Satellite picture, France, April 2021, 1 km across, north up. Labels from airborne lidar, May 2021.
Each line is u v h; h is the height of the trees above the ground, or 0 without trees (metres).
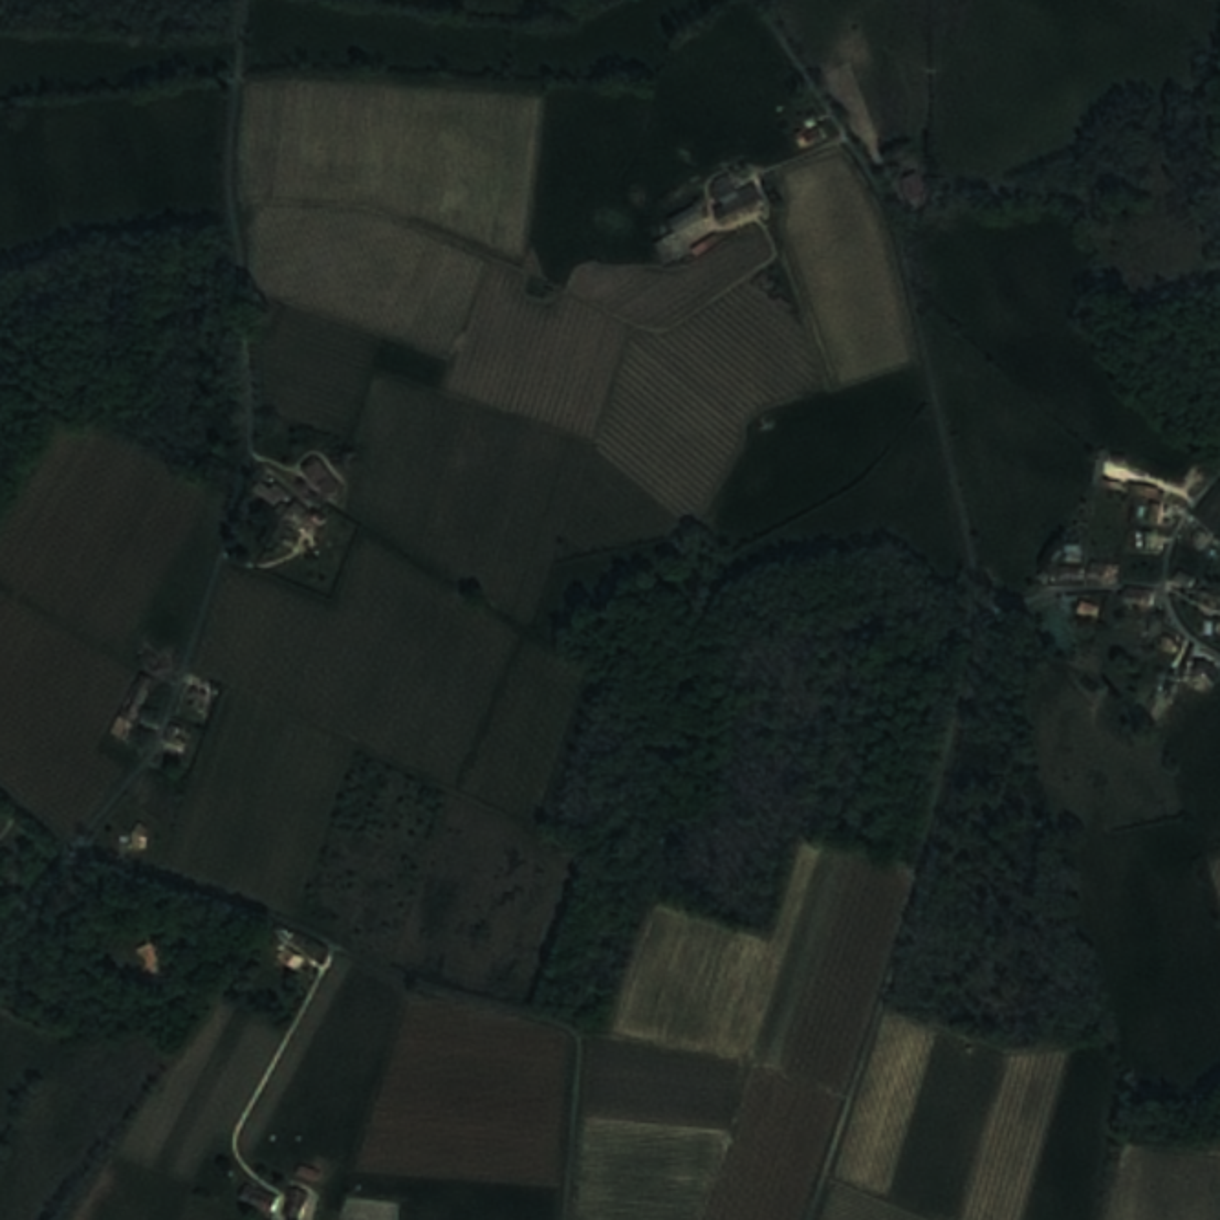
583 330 0
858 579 24
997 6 0
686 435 0
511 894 0
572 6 19
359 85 0
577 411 0
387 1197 0
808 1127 0
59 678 0
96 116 0
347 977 0
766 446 0
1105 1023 21
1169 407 26
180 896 23
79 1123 0
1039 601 0
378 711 0
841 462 0
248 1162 0
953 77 0
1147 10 0
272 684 0
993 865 19
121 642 0
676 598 22
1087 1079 0
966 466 0
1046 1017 21
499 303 0
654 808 21
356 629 0
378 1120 0
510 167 0
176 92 17
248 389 12
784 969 0
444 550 0
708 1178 0
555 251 0
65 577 0
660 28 0
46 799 0
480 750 0
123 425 16
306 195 0
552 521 0
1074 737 0
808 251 0
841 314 0
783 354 0
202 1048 0
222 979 22
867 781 15
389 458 0
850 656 15
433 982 0
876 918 0
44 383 19
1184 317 21
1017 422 0
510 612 0
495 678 0
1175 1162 0
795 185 0
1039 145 0
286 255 0
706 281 0
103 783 0
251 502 7
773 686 16
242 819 0
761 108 0
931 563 10
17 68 0
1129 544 0
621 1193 0
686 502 0
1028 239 0
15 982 16
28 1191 0
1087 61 0
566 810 13
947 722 22
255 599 0
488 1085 0
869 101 0
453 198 0
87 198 0
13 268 18
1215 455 19
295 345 0
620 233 0
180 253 22
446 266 0
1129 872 0
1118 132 19
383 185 0
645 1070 0
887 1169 0
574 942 17
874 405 0
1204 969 0
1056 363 0
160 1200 0
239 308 23
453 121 0
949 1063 0
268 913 14
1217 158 24
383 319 0
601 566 0
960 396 0
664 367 0
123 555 0
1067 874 29
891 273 0
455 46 0
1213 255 11
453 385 0
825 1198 0
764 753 13
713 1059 0
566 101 0
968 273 0
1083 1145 0
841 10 0
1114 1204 0
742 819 18
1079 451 0
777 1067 0
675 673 22
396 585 0
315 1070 0
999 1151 0
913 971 14
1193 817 6
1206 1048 0
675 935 0
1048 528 0
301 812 0
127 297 21
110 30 16
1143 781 0
